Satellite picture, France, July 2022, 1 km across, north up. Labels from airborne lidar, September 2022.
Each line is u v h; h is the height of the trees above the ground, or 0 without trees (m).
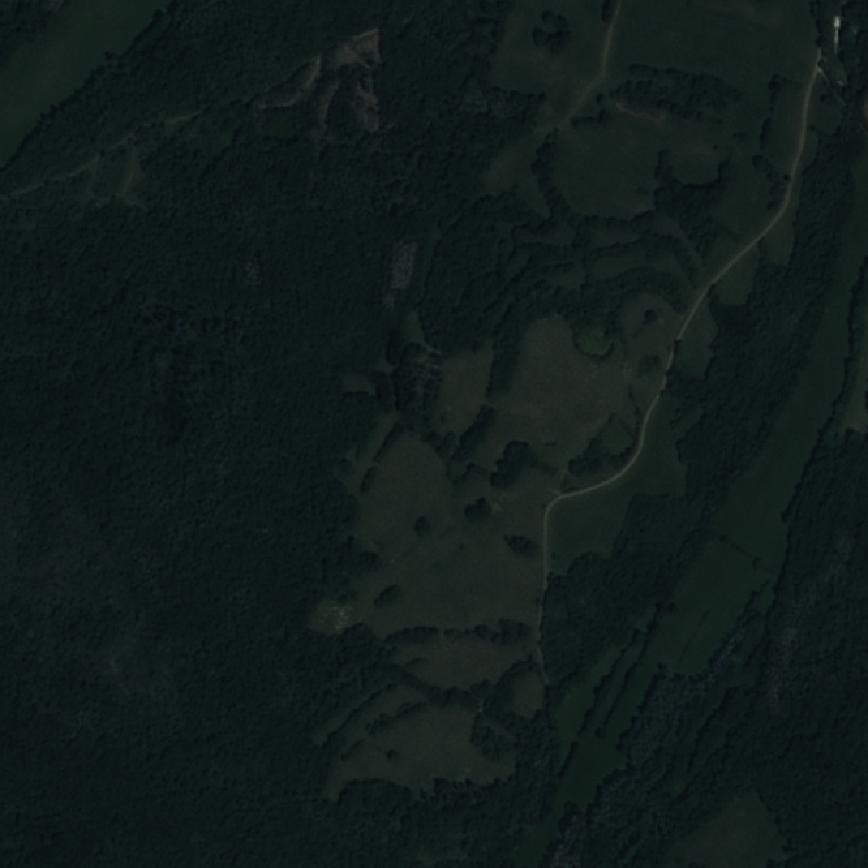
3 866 12
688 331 0
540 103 11
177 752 15
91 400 13
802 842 19
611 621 6
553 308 7
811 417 0
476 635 7
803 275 8
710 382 12
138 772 12
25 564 7
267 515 12
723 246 0
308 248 16
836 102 9
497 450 0
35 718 19
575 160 0
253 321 11
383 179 16
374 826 13
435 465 0
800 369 17
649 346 0
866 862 7
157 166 15
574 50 0
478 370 0
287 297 11
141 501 9
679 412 6
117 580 5
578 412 0
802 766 19
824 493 8
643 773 18
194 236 20
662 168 11
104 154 12
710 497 10
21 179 11
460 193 11
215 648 17
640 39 0
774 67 0
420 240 8
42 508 10
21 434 19
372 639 7
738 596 0
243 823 19
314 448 13
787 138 0
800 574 16
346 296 10
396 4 13
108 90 17
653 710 19
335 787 0
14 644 11
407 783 0
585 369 0
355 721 8
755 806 0
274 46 11
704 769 10
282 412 19
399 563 0
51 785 15
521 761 10
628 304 9
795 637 12
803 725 10
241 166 18
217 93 6
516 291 14
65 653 6
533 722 8
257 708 13
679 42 0
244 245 18
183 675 10
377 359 9
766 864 0
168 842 15
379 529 0
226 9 21
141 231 15
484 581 0
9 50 22
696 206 17
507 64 0
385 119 14
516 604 0
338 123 16
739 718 16
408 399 22
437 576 0
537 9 0
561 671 9
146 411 16
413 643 8
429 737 0
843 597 9
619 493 0
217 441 13
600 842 22
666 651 0
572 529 0
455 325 11
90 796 16
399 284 25
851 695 12
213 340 23
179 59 13
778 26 0
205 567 11
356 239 10
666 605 18
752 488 0
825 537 15
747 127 0
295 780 14
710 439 6
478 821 13
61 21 0
